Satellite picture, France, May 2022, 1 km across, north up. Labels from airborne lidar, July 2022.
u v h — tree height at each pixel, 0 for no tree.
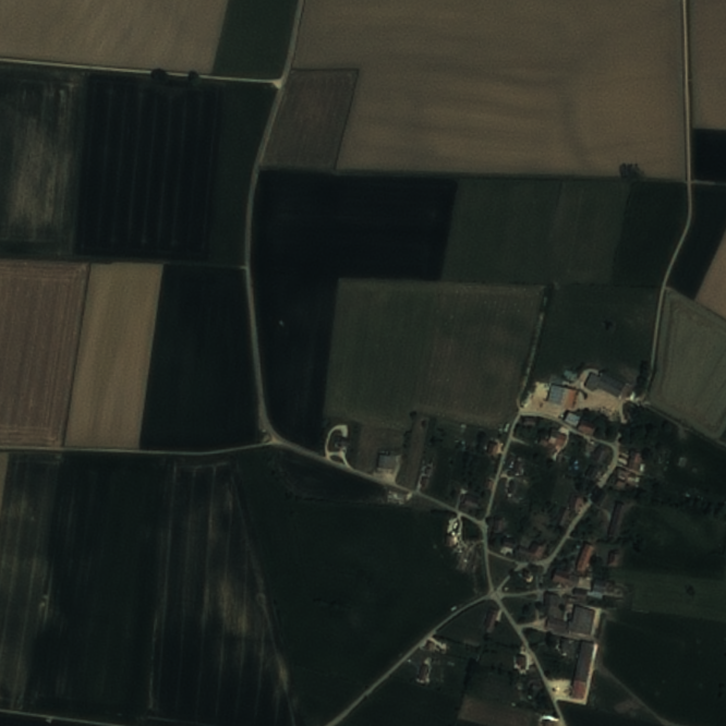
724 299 0
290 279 0
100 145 0
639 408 16
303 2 0
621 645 0
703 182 0
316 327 0
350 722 0
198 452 0
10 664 0
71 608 0
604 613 0
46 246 0
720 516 13
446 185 0
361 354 0
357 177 0
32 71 0
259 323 0
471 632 0
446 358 0
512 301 0
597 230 0
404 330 0
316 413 0
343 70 0
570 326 0
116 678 0
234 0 0
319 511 0
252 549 0
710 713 0
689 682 0
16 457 0
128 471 0
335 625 0
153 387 0
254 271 0
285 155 0
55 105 0
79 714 0
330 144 0
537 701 7
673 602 0
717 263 0
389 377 0
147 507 0
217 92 0
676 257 0
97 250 0
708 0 0
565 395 0
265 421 0
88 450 0
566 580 0
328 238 0
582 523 8
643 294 0
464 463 7
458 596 0
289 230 0
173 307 0
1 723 0
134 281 0
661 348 0
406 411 0
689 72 0
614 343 0
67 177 0
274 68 0
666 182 0
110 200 0
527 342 0
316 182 0
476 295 0
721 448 0
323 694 0
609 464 0
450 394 0
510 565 0
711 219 0
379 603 0
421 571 0
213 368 0
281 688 0
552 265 0
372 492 0
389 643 0
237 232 0
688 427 0
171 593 0
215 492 0
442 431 6
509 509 0
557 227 0
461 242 0
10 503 0
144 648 0
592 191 0
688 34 0
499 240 0
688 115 0
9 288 0
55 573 0
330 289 0
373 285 0
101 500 0
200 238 0
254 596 0
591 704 0
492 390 0
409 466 0
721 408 0
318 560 0
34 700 0
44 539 0
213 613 0
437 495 0
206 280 0
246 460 0
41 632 0
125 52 0
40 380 0
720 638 0
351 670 0
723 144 0
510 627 0
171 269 0
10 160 0
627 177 25
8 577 0
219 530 0
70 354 0
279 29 0
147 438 0
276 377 0
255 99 0
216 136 0
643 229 0
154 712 0
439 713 0
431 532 0
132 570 0
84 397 0
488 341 0
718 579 0
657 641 0
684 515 0
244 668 0
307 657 0
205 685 0
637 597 0
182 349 0
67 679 0
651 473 0
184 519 0
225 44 0
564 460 6
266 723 0
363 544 0
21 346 0
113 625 0
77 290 0
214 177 0
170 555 0
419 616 0
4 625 0
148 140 0
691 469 0
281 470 0
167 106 0
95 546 0
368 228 0
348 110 0
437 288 0
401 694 0
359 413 0
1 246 0
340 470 0
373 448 0
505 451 0
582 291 0
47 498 0
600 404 0
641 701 0
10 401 0
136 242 0
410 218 0
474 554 0
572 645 0
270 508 0
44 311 0
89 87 0
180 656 0
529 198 0
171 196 0
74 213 0
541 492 0
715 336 0
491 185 0
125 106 0
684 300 0
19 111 0
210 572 0
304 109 0
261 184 0
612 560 0
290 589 0
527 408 0
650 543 0
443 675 0
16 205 0
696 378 0
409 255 0
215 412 0
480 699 0
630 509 0
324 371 0
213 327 0
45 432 0
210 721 0
